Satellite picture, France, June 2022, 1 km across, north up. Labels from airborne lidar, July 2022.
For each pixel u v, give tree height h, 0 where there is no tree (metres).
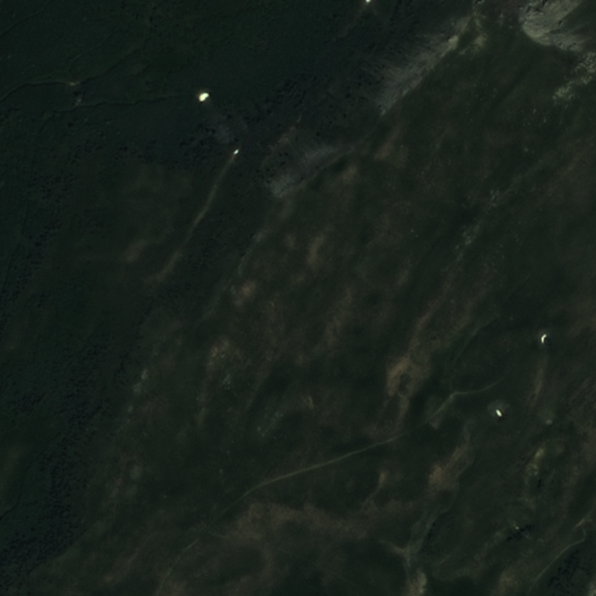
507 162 0
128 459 0
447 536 0
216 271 0
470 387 0
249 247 0
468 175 0
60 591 0
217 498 0
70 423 8
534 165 0
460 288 0
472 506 0
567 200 0
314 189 0
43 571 0
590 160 0
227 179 0
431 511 0
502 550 0
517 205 0
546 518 0
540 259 0
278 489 0
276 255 0
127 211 0
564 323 0
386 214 0
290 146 0
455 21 0
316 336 0
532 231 0
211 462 0
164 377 0
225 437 0
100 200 0
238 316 0
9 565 8
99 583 0
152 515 0
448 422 0
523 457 0
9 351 0
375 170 0
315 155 0
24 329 0
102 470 0
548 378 0
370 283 0
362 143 0
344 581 0
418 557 0
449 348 0
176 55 0
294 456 0
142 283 0
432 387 0
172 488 0
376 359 0
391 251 0
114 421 0
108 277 0
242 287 0
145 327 0
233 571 0
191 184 0
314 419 0
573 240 0
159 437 0
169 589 0
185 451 0
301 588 0
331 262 0
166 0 6
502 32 0
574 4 0
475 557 0
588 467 0
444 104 0
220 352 0
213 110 0
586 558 0
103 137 8
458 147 0
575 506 0
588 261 0
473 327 0
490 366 0
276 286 0
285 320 0
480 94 0
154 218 0
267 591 0
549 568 0
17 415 7
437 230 0
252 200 0
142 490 0
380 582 0
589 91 0
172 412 0
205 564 0
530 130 0
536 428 0
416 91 0
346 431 0
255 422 0
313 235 0
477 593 0
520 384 0
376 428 0
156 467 0
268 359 0
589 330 0
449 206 0
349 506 0
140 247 0
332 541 0
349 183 0
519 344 0
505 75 0
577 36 0
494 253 0
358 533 0
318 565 0
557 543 0
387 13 0
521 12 0
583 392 0
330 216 0
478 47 0
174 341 0
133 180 0
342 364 0
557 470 0
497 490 0
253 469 0
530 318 0
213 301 0
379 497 0
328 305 0
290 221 0
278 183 0
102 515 0
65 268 0
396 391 0
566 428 0
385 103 0
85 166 0
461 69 0
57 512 7
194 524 0
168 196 0
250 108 0
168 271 0
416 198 0
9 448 0
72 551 0
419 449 0
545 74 0
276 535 0
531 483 0
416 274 0
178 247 0
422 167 0
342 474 0
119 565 0
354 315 0
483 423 0
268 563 0
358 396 0
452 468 0
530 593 0
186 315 0
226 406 0
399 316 0
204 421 0
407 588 0
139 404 0
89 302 0
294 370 0
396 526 0
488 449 0
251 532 0
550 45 0
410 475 0
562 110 0
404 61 0
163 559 0
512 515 0
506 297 0
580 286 0
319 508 0
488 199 0
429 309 0
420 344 0
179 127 5
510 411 0
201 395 0
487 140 0
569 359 0
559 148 0
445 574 0
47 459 7
